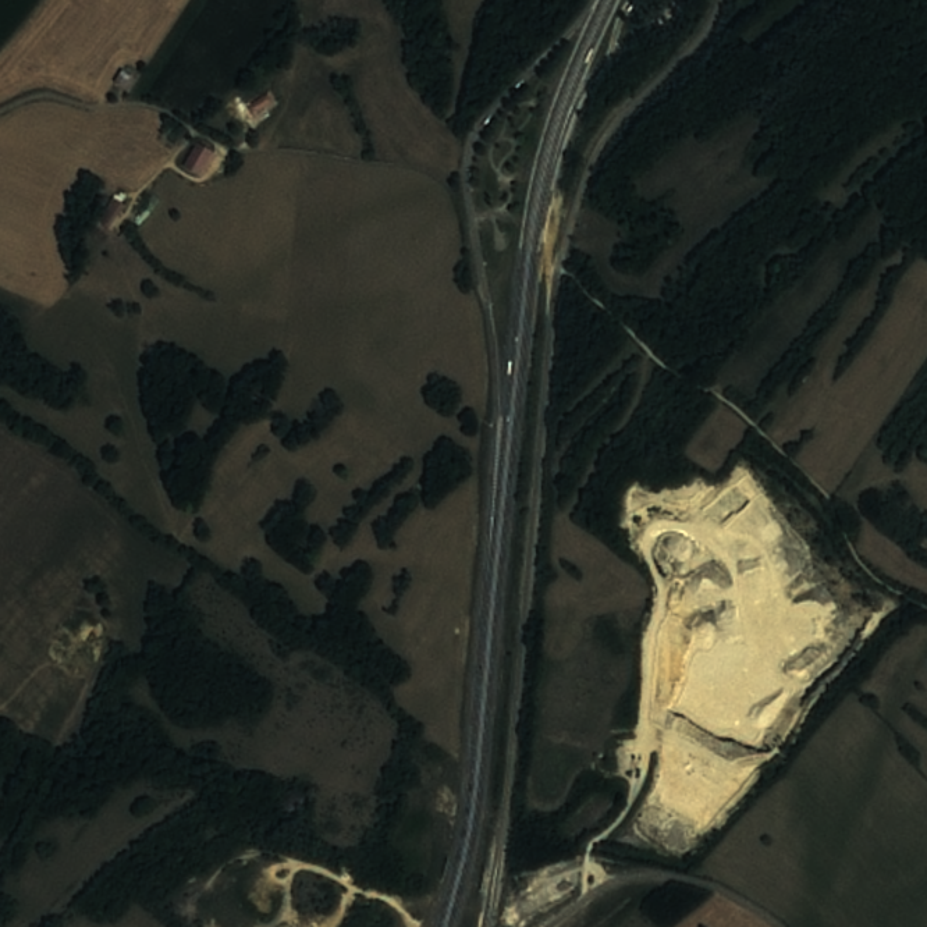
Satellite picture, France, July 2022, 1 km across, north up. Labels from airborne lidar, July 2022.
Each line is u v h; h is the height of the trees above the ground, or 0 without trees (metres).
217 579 12
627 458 11
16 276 0
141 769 16
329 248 0
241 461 0
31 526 0
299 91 0
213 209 0
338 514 0
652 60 18
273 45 17
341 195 0
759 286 8
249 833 6
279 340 0
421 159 0
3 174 0
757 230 16
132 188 0
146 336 0
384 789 6
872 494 10
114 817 0
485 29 17
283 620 13
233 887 0
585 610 0
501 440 0
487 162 0
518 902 0
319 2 0
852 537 10
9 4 0
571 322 13
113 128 0
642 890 0
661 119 18
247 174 0
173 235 0
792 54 17
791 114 14
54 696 0
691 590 0
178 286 7
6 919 7
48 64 0
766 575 0
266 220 0
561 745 0
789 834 0
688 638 0
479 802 0
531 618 6
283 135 0
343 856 8
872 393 0
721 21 12
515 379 0
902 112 13
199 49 0
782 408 0
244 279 0
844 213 10
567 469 7
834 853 0
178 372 21
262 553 0
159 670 20
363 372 0
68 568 0
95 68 0
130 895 9
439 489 15
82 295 0
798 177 15
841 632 0
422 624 0
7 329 27
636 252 17
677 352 15
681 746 0
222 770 10
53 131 0
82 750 12
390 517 10
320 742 0
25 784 18
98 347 0
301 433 23
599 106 11
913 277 0
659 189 0
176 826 9
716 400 11
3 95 0
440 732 0
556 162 0
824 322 7
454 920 0
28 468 0
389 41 0
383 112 0
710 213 0
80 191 15
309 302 0
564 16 11
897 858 0
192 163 0
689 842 0
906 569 0
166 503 0
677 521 0
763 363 0
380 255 0
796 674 0
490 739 0
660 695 0
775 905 0
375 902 8
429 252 0
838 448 0
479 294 0
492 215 0
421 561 0
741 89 18
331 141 0
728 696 0
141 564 0
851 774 0
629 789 0
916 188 20
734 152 0
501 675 0
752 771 0
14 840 12
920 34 12
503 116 9
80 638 0
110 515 0
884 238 13
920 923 0
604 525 13
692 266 15
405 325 0
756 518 0
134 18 0
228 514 0
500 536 0
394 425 0
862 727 0
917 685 8
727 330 19
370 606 0
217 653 10
